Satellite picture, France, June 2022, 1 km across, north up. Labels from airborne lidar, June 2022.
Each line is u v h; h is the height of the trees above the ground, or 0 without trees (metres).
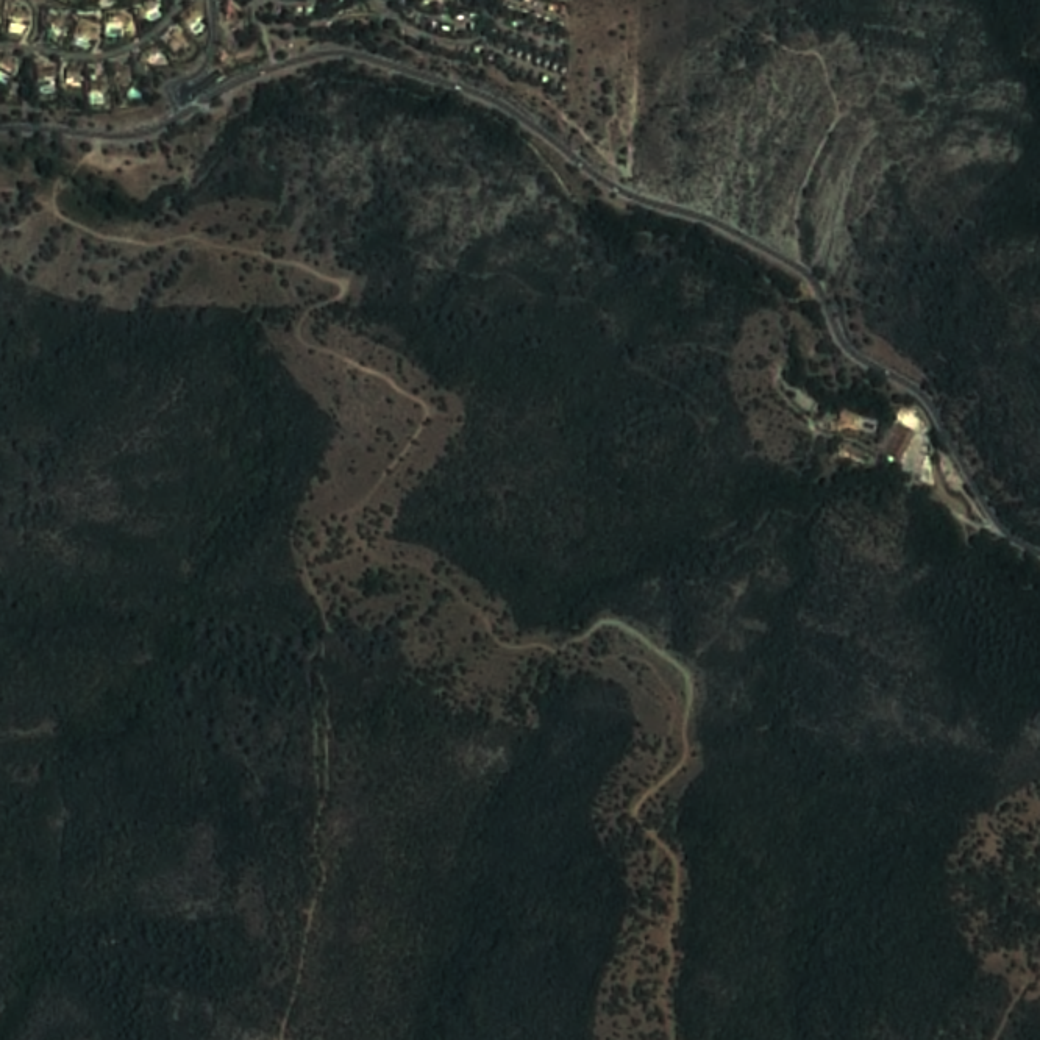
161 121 0
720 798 6
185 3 10
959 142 0
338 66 8
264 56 7
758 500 9
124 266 10
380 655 7
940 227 0
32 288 0
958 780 6
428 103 10
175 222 12
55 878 6
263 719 12
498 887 7
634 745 6
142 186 0
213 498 7
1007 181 6
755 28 10
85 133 0
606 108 11
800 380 11
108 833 6
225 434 7
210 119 8
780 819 7
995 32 7
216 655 7
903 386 0
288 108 10
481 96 0
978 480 8
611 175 0
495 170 10
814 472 14
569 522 7
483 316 9
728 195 0
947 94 0
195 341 6
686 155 0
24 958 13
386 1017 7
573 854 6
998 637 13
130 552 6
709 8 0
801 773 6
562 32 9
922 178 0
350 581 7
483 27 10
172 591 9
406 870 6
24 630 7
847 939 9
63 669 6
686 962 6
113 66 11
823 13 9
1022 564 10
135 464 6
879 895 8
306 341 0
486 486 7
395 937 8
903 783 6
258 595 7
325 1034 7
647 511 14
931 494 10
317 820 5
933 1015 9
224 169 0
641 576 6
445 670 8
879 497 10
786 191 0
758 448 7
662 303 7
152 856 7
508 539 9
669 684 0
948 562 9
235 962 8
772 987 7
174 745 8
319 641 10
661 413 8
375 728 9
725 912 6
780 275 11
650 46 0
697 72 0
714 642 0
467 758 0
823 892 7
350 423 0
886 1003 7
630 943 6
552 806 5
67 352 12
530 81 10
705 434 6
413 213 6
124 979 12
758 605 6
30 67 12
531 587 5
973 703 5
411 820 6
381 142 0
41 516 8
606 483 6
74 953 11
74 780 5
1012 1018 6
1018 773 0
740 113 0
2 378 8
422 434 0
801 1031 10
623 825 6
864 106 0
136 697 10
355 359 0
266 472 8
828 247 0
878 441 9
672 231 10
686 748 0
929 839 8
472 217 0
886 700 0
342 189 0
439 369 8
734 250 10
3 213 9
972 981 7
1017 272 8
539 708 6
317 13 13
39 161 11
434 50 12
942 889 7
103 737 9
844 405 15
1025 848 7
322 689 5
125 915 10
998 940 6
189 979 9
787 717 8
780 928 7
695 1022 7
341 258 9
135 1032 7
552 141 0
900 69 0
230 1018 0
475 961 8
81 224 0
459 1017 8
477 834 9
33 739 6
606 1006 5
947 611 6
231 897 6
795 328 7
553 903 9
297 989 6
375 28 13
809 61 0
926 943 8
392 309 6
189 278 0
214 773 10
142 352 6
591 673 7
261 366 8
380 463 0
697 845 6
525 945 6
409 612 6
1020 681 7
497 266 0
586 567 6
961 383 7
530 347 9
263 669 7
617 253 7
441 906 6
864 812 7
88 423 6
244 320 7
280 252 8
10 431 7
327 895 6
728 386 10
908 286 6
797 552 6
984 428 8
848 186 0
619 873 6
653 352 7
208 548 7
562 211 0
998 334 7
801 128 0
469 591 5
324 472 8
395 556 6
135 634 7
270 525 7
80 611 6
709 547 6
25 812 8
